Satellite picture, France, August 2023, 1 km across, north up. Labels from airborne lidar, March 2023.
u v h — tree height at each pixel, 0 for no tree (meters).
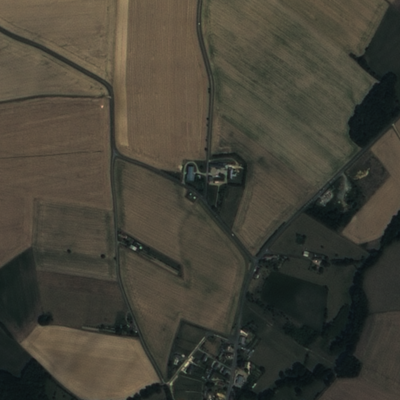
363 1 0
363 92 0
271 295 0
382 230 0
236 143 0
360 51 0
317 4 0
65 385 0
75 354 0
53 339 0
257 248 0
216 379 0
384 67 0
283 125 0
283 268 0
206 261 0
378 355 0
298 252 0
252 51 0
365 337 0
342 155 0
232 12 0
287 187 0
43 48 0
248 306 0
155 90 0
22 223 0
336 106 0
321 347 0
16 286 0
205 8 0
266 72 0
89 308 0
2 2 0
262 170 0
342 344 21
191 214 0
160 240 0
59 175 0
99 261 0
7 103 0
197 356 0
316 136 0
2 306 0
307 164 0
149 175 0
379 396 0
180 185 0
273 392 15
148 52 0
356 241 0
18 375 0
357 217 0
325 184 0
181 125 0
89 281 0
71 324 0
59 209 0
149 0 0
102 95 0
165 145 0
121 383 0
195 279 0
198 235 0
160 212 0
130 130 0
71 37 0
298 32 0
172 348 0
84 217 0
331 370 9
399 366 0
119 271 0
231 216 0
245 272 0
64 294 0
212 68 0
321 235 0
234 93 0
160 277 0
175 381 0
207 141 6
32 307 0
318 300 0
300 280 0
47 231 0
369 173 0
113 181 0
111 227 0
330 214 17
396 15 0
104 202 0
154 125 0
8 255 0
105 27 0
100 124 0
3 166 0
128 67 0
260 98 0
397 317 0
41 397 14
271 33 0
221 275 0
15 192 0
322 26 0
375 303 0
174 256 0
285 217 0
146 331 0
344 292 0
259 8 0
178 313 0
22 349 0
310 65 0
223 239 0
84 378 0
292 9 0
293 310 0
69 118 0
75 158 0
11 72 0
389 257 0
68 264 0
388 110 21
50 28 0
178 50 0
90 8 0
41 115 0
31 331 0
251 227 0
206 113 0
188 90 0
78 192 0
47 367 0
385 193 0
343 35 0
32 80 0
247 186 0
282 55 0
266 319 0
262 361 0
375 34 0
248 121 0
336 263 9
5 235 0
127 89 0
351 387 0
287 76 0
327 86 0
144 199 0
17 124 0
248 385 7
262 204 0
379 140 0
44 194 0
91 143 0
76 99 0
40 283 0
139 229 0
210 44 0
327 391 0
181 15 0
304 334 5
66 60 0
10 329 0
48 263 0
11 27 0
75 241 0
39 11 0
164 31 0
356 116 12
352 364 10
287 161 0
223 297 0
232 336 0
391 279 0
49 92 0
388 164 0
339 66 0
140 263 0
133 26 0
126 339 0
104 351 0
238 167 0
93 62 0
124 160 0
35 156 0
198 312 0
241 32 0
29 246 0
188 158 0
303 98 0
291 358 0
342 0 0
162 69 0
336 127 0
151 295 0
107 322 0
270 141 0
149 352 0
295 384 20
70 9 0
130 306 0
